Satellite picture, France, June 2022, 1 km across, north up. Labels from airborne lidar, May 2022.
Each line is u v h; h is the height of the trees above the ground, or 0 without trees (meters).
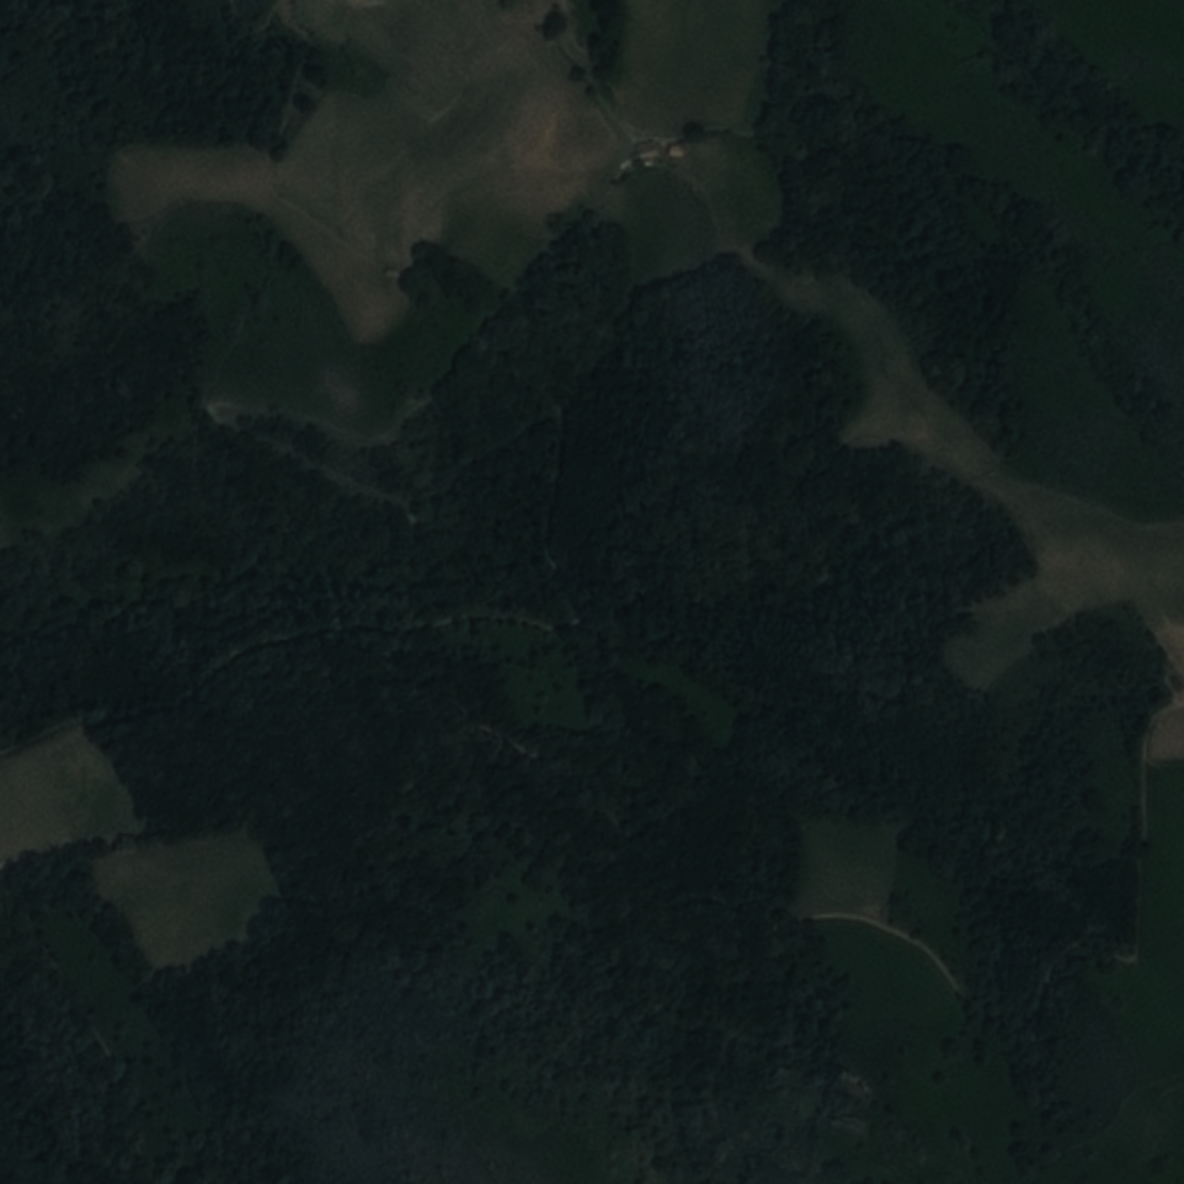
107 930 19
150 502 12
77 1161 12
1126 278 0
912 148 23
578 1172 0
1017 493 0
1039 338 0
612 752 12
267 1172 9
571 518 15
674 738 6
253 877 0
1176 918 0
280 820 16
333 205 0
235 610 18
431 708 15
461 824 7
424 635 16
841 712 15
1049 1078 11
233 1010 11
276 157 9
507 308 16
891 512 22
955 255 25
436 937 11
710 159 0
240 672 11
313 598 15
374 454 10
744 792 22
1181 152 14
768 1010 14
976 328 20
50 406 22
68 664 23
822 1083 12
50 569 9
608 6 27
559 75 0
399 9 0
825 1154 0
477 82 0
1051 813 13
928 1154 7
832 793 28
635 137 0
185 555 20
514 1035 11
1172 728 0
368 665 23
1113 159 14
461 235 0
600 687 19
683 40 0
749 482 20
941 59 0
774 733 29
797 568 27
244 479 15
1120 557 0
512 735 9
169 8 14
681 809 9
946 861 16
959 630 13
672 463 18
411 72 0
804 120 22
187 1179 16
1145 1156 0
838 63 28
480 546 28
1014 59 6
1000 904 13
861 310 0
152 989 11
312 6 0
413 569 17
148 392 19
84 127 9
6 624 17
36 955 12
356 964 7
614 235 19
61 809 0
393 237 0
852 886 0
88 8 22
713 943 16
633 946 21
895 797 24
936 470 14
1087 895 13
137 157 0
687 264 0
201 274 13
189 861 0
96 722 14
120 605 20
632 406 9
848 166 18
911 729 13
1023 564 14
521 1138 0
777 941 20
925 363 10
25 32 17
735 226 0
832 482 17
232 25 12
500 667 11
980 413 15
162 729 20
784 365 19
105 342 16
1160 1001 0
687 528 14
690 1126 16
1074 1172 0
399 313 0
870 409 0
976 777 13
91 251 7
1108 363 11
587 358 29
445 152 0
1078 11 0
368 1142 6
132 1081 11
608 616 26
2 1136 26
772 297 11
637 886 18
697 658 17
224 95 13
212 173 0
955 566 15
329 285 0
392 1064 6
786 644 24
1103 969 11
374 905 8
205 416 12
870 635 20
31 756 0
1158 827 0
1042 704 12
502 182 0
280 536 11
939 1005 0
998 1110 0
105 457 11
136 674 17
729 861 16
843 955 0
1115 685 13
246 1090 10
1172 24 0
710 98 0
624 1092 9
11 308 17
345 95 0
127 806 0
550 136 0
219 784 16
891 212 14
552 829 12
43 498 0
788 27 24
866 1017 0
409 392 15
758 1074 7
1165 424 11
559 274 18
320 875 16
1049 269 10
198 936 0
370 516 11
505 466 30
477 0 0
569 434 14
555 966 10
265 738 19
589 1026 14
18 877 17
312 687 20
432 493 8
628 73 0
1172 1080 0
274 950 16
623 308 22
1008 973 25
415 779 11
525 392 27
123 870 0
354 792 18
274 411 9
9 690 10
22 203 10
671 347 14
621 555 21
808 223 18
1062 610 0
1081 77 21
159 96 16
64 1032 10
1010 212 21
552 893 9
